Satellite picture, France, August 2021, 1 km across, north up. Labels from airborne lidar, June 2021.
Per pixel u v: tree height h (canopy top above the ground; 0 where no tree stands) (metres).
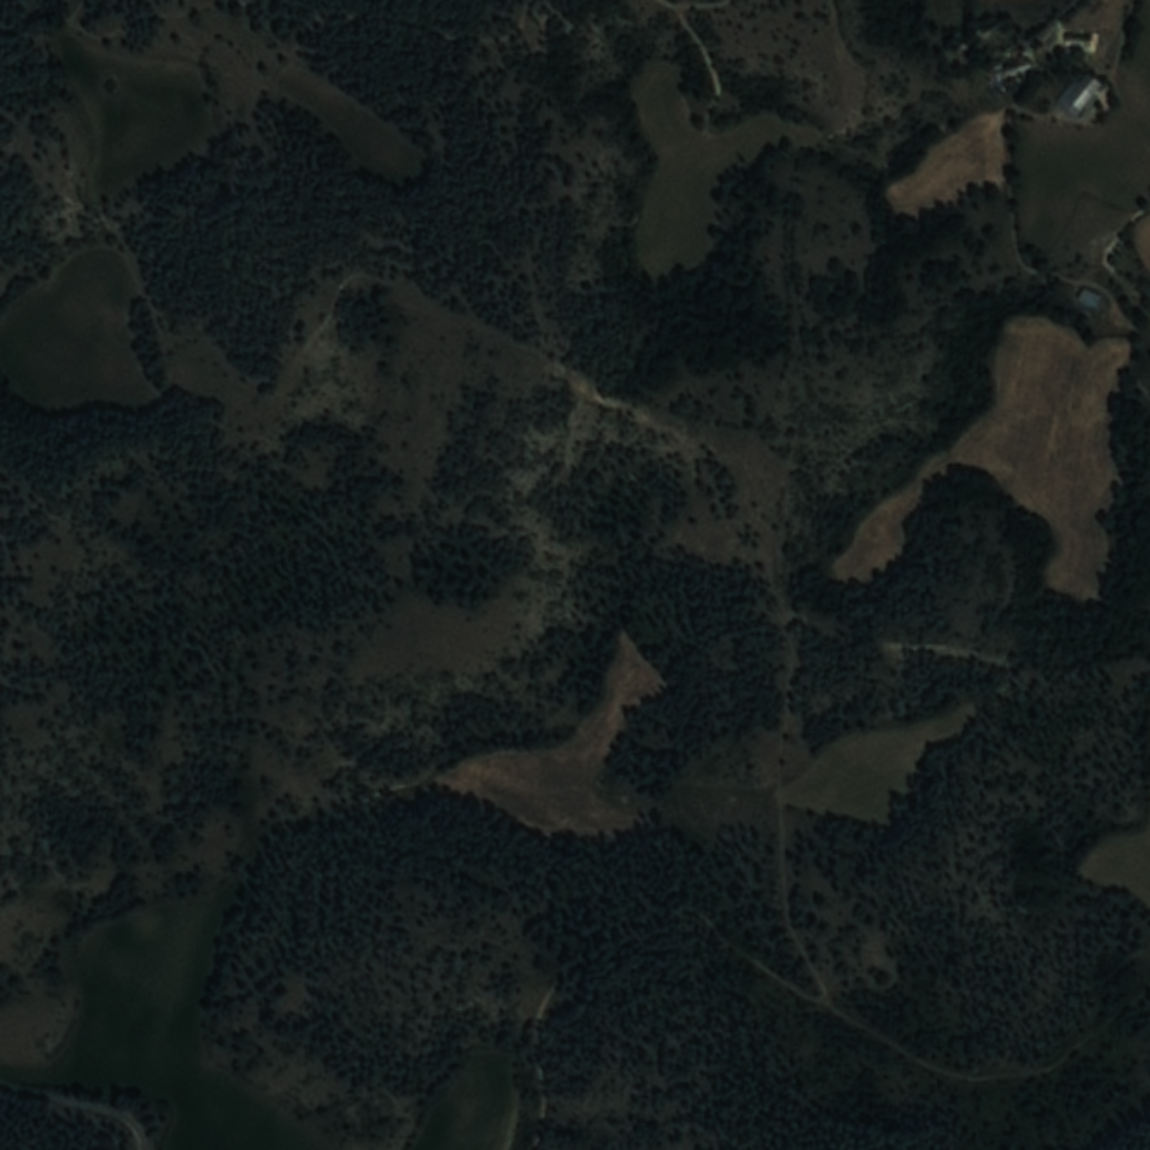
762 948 9
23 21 7
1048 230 0
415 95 15
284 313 7
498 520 6
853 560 0
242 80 0
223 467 9
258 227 14
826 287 8
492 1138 0
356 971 15
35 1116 12
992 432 0
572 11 8
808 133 0
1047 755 19
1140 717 15
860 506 10
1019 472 0
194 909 0
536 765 0
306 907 13
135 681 16
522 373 0
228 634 13
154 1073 0
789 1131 17
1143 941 11
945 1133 16
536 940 11
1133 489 14
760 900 12
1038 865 8
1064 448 0
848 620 14
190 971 0
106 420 8
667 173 0
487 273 12
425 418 0
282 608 18
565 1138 12
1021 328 0
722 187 11
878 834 13
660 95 0
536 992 0
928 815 15
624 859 17
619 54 8
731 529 0
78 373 0
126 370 0
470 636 0
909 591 9
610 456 13
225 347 8
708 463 8
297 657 7
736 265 11
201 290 12
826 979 0
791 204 6
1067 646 6
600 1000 12
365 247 8
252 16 6
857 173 8
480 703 13
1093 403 0
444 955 7
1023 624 10
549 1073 15
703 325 18
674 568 14
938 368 7
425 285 9
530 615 0
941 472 0
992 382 13
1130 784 14
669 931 9
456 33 8
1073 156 0
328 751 0
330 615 14
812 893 0
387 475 9
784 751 0
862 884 14
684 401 9
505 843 20
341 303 7
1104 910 6
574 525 10
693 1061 8
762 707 11
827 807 0
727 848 16
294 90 0
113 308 0
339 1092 0
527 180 12
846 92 0
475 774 0
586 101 7
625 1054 12
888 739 0
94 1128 10
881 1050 7
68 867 14
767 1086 15
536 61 9
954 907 13
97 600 12
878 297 14
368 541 10
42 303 0
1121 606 8
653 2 0
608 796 0
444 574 17
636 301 15
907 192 0
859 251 0
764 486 0
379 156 0
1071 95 0
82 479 10
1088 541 0
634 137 10
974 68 14
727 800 0
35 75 16
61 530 0
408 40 11
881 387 0
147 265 7
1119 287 7
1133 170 0
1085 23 0
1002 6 0
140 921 0
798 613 11
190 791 10
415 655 0
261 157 14
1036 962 11
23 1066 0
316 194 10
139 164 0
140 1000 0
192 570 13
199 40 0
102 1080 0
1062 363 0
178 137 0
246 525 10
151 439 13
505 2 11
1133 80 0
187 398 9
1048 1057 6
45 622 8
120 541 8
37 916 0
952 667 12
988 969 7
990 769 6
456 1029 13
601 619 23
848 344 5
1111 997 6
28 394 0
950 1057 6
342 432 9
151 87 0
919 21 15
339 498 11
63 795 8
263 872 13
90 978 0
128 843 12
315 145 9
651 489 16
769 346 9
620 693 0
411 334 0
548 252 9
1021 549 9
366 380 0
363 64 15
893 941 19
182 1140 0
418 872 10
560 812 0
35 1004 0
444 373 0
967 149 0
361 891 9
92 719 8
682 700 16
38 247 10
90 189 0
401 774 15
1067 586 0
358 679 0
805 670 8
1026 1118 7
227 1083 0
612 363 11
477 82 9
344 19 14
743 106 9
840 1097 6
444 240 12
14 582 9
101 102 0
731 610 12
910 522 8
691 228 0
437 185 16
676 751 7
